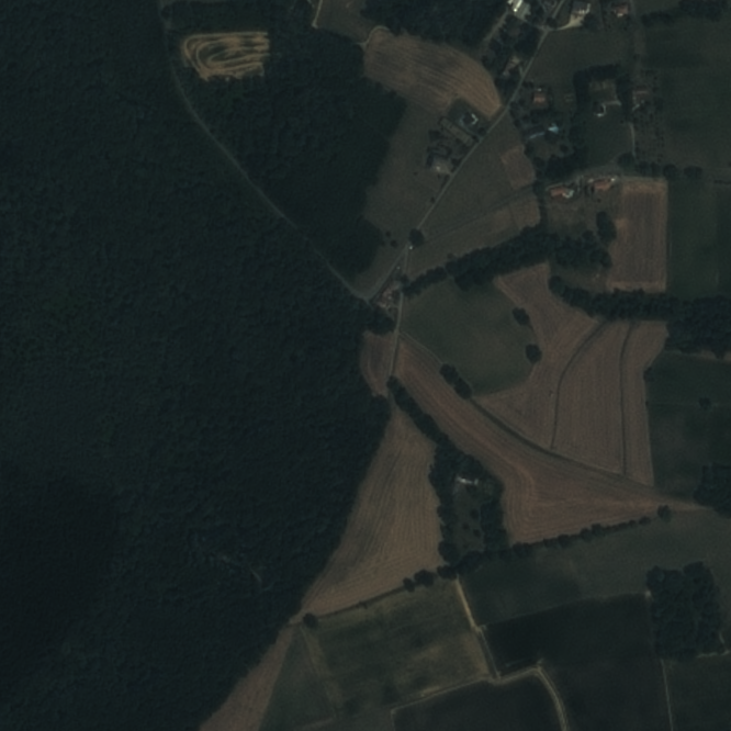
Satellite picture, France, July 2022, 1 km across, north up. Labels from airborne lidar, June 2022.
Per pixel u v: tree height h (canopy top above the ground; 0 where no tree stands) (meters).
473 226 0
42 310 10
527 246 17
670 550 0
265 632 25
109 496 17
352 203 10
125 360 6
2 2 28
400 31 17
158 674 26
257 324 34
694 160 0
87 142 28
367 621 0
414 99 0
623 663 0
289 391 26
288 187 12
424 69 0
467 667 0
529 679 0
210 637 30
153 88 8
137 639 23
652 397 0
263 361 33
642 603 0
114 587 21
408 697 0
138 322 20
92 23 23
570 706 0
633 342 0
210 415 10
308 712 0
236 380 23
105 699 29
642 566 0
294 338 28
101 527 20
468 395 13
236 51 0
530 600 0
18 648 19
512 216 0
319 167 10
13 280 8
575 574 0
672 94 0
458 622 0
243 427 15
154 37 5
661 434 0
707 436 0
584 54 0
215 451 21
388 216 0
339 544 13
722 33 0
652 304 8
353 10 0
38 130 26
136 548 22
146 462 10
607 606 0
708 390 0
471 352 0
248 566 30
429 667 0
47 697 28
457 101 0
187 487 26
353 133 12
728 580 0
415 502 0
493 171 0
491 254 17
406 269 0
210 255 24
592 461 0
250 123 17
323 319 25
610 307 13
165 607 26
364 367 0
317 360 28
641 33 0
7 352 12
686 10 18
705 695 0
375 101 8
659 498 0
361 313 25
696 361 0
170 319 29
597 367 0
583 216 0
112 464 11
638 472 0
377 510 0
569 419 0
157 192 28
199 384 26
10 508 17
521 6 0
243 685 0
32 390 10
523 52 12
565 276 0
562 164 19
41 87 23
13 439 6
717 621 17
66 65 20
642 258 0
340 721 0
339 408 27
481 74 0
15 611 21
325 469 21
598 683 0
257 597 25
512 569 0
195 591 13
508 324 0
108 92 24
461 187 0
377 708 0
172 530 23
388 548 0
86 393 12
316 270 12
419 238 20
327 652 0
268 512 29
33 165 25
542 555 0
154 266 29
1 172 25
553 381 0
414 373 0
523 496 0
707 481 13
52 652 23
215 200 22
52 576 22
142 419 10
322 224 10
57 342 12
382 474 0
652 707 0
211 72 0
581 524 0
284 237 17
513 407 0
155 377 8
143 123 23
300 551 7
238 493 13
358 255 10
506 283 0
